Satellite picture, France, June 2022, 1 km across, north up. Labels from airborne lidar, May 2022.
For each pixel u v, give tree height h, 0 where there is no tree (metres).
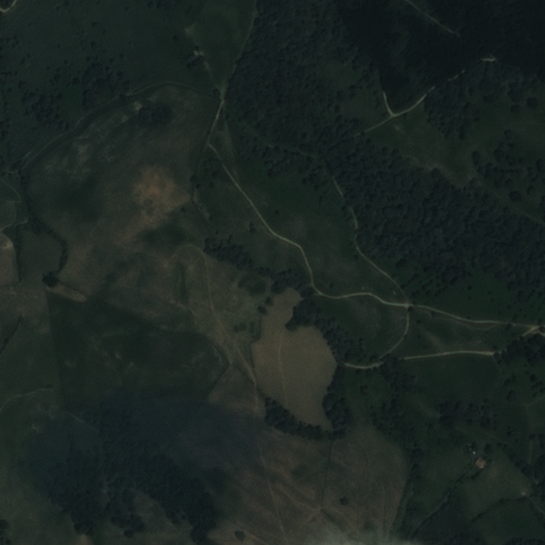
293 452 0
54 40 0
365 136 11
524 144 0
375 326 0
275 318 0
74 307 0
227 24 0
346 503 12
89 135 0
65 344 0
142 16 0
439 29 15
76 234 0
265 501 0
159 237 0
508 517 0
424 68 8
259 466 0
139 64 0
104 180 0
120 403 0
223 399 0
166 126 0
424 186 11
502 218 8
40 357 0
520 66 15
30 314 0
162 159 0
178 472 20
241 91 15
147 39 0
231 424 0
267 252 0
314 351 0
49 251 0
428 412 0
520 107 10
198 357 0
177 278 0
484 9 18
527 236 29
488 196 13
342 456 0
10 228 0
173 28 0
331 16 11
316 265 0
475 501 0
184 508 15
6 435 0
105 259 0
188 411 0
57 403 0
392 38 15
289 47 17
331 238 0
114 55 0
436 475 0
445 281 12
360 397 0
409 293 0
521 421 0
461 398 0
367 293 0
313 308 13
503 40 12
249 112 12
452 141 11
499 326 0
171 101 0
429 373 0
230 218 0
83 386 0
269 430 0
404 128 0
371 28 21
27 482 0
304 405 0
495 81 15
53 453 0
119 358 0
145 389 0
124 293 0
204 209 0
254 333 0
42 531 0
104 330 0
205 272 0
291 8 17
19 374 0
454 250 20
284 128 12
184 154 0
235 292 0
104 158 0
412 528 11
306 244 0
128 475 10
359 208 17
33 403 0
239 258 15
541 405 0
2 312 0
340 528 0
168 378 0
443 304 0
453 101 18
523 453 0
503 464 0
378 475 0
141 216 0
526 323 0
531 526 0
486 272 13
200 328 0
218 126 0
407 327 0
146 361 0
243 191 0
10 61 0
